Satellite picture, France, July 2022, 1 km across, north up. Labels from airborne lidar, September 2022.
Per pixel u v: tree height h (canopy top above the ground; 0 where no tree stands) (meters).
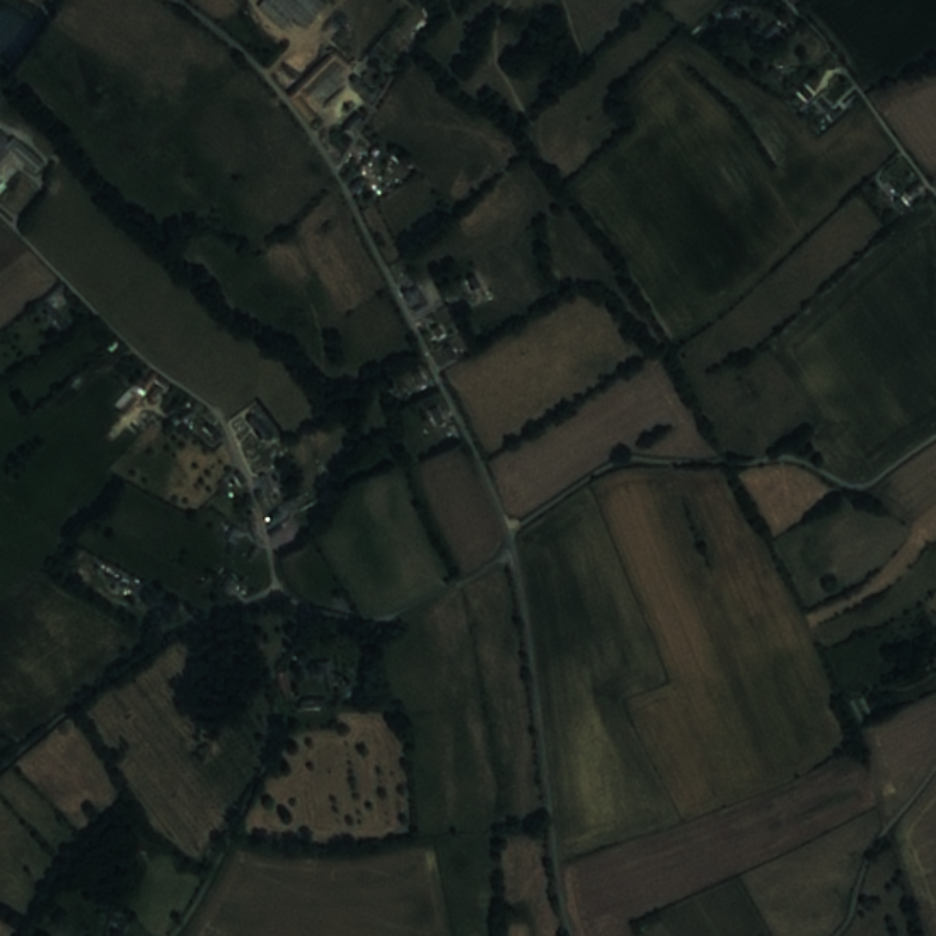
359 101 0
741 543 0
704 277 0
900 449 0
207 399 0
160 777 0
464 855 0
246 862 0
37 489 0
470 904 0
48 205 0
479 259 0
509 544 0
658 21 0
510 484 0
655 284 0
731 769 0
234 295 0
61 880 20
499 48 0
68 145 27
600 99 0
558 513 0
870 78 0
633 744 0
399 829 0
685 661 0
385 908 0
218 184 0
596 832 0
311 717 0
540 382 0
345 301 0
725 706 0
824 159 0
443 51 0
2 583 0
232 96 0
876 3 0
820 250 0
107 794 0
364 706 22
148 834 7
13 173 0
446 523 0
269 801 13
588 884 0
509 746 0
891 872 0
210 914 0
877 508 14
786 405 0
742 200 0
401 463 18
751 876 0
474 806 0
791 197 0
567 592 0
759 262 0
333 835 0
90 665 0
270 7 0
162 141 0
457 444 16
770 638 0
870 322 0
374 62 9
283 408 0
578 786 0
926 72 14
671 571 0
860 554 0
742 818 0
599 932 0
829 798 0
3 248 0
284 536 0
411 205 0
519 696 0
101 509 24
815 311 0
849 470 0
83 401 0
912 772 0
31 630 0
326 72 0
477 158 0
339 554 0
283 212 0
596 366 0
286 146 0
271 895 0
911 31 0
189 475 0
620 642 0
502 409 0
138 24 0
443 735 0
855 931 0
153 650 15
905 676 15
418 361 8
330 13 0
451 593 0
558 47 22
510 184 0
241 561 0
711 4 0
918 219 0
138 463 0
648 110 0
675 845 0
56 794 0
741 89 0
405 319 6
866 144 0
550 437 0
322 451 0
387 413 14
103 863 22
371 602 0
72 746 0
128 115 0
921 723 0
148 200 0
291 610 28
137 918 13
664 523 0
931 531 0
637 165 0
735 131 0
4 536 0
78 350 0
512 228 0
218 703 25
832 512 11
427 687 0
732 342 0
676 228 0
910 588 0
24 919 11
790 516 0
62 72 0
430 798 0
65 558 8
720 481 0
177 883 0
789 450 14
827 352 0
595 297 8
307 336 0
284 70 0
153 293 0
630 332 15
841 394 0
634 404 0
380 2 0
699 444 0
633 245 0
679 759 0
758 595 0
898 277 0
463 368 0
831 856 0
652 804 0
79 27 0
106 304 0
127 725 0
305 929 0
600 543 0
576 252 0
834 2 0
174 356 0
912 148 0
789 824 0
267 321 0
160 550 0
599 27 0
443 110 0
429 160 0
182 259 24
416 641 0
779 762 0
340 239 0
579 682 0
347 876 0
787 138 0
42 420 0
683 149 0
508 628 0
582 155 0
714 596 0
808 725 0
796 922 0
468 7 8
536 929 0
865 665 0
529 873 0
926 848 0
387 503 0
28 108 19
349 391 20
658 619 0
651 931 0
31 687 0
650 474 0
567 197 8
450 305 9
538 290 0
